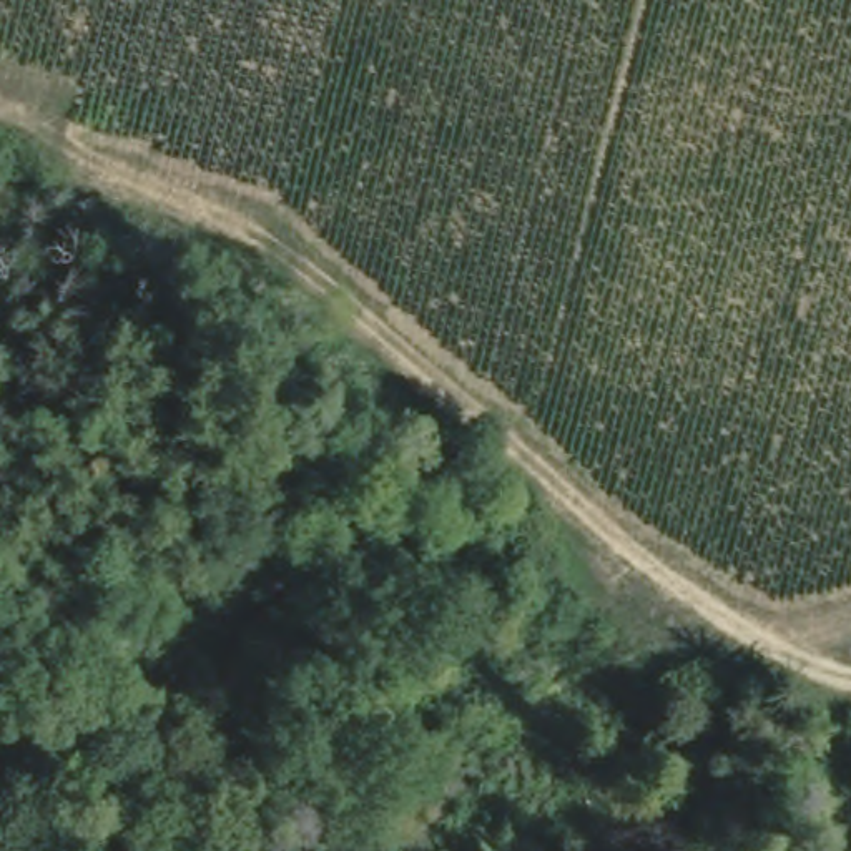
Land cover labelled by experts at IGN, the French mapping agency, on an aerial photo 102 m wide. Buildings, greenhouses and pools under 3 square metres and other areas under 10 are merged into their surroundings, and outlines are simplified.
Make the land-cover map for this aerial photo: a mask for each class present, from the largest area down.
<instances>
[{"label":"vineyard","instance_id":"1","mask_svg":"<svg viewBox=\"0 0 851 851\"><path fill-rule=\"evenodd\" d=\"M0 53H10L20 63H40L43 70L76 76L80 93L70 96L63 113L70 123H83L110 136H143L163 156L193 160L209 173H226L239 183H266L269 189H276L286 199V206H293L306 223H312L316 233L329 246H336L352 266L372 276L379 289L389 293L392 303L402 312H409L422 329H429L455 359H462L475 376L492 379L495 389L509 399L522 402L525 412L542 426V432H548L568 452V462L588 469L598 489L608 495L618 499L642 522L685 542L705 562L731 568L741 585H755L765 595L791 598L831 592L851 582V0H0Z\"/></svg>","mask_w":851,"mask_h":851},{"label":"coniferous trees","instance_id":"2","mask_svg":"<svg viewBox=\"0 0 851 851\"><path fill-rule=\"evenodd\" d=\"M13 186V203L0 219V562L17 558L27 568V578L37 588H43L50 615L43 628L30 638L47 671V701H37L33 708L40 718L37 731L33 738L0 745V831L10 824L3 798L13 791V785L20 778H30L33 785L50 781L63 801L57 808V828L83 841H100L103 851H133L130 841L140 821L153 811L150 798L143 794L146 775L136 768L123 781L106 785L103 794H90L93 771L106 765L110 741L123 725V715L136 711L140 705H160L166 698L163 691L186 695L213 718L216 735L223 738V755L229 761L256 765L266 691L276 678L289 681L296 668L322 658V635H306L299 622L332 605L326 575L316 565H293V558L286 555H266L253 572H246L239 588L223 595L219 605L199 592L180 595L189 612V622L176 632V638H170L160 648L156 658H120L113 645L100 635L96 615L106 602V582L96 558L100 545L113 532H126L130 539H136L150 532L160 522L156 502L163 499V492L183 495L186 509H196L203 502L206 475L223 465V455L233 449L236 435L249 432L259 406V386L249 382L239 369V346L253 342L256 336L249 326H239L233 319L216 326H196V299L183 296L193 286V279L183 266V253L189 246L180 233H143L140 226L126 223L123 209L110 203L100 189L76 183L47 186L30 166L20 163L13 170V180H7ZM342 416L349 422L356 416L372 422V435L362 442L359 452L303 455L286 472H279L276 485L283 499L273 502L279 525H289L296 515H306L342 495L366 499L362 475H369L372 465L392 452H399L402 465H412L422 482L439 485L452 479L459 469L472 465L475 442L482 432L475 419H462L455 399L439 396L435 389L389 366L379 376L376 396H366L359 386H346ZM588 598L612 618L615 628L642 638V645L652 655L632 668L595 665L582 675V688H562L555 698L535 701L529 718L519 725V745L529 751L532 765H542L552 771L555 781H565L568 804L552 814H525L512 798L485 794L482 801H475V811L465 821V828L452 831L435 821L429 828L426 844L406 851H851V695L794 675L758 655L755 648L731 642L708 622H701L698 612L668 598L655 582L635 572L608 545H602L592 552V565H585ZM685 665L705 668L711 681V698L701 731L688 741H678L665 728L678 695L668 685V671ZM17 632L10 625L0 628V691L17 678V671L27 662L17 652ZM276 851H309L319 838V818L312 808H303L273 831Z\"/></svg>","mask_w":851,"mask_h":851},{"label":"deciduous trees","instance_id":"3","mask_svg":"<svg viewBox=\"0 0 851 851\"><path fill-rule=\"evenodd\" d=\"M20 163L30 166L47 186L76 183V170L63 153L33 143L27 130L0 120V219L13 203V186L7 180H13V170ZM189 246L183 253V266L193 279V286L183 296L196 299V326H216L233 319L239 326H249L256 336L253 342L239 346V369L249 382L259 386V406L249 432L236 435L233 449L223 455V465L206 475L203 502L196 509H186L183 495L163 492V499L156 502L160 522L150 532L136 539H130L126 532H113L100 545L96 558L106 582V602L96 615L100 635L113 645L120 658H156L160 648L170 638H176V632L189 622V612L180 595L199 592L219 605L223 595L239 588L246 572H253L266 555H286L293 558V565H316L326 575L332 605L299 622L306 635H322V658L296 668L289 681L276 678L266 691L256 765L229 761L223 755V738L216 735L213 718L186 695L163 691L166 698L160 705H140L136 711L123 715V725L110 741L106 765L93 771L90 794H103L106 785L123 781L136 768L146 775L143 794L150 798L153 811L140 821L130 841L133 851H276L273 831L303 808H312L319 818V838L309 851H406L426 844L429 828L435 821L452 831L465 828V821L475 811V801H482L485 794L512 798L525 814H552L568 804L565 781H555L552 771L542 765H532L529 751L519 745V725L529 718L535 701L555 698L562 688H582V675L595 665L632 668L652 655L642 645V638L615 628L612 618L588 598L585 565H592V552L602 545L572 515L558 512L545 499L532 475L509 462L505 439L509 426L499 419V412H482L475 419L482 432L475 442L472 465L459 469L452 479L439 485L422 482L412 465H402L399 452H392L372 465L369 475H362L366 499L342 495L306 515H296L289 525H279L273 502L283 499L276 485L279 472H286L303 455L359 452L362 442L372 435V422L356 416L349 422L342 416L346 386H359L366 396H376L379 376L389 366V359L362 336H336L329 329V319H293V309L279 299L256 303V296L266 289H289L296 283L286 269L266 263L259 249L233 236L213 233L199 223H186L180 233ZM43 588H37L27 578V568L17 558L0 562V628L10 625L17 632V652L27 662L17 671V678L0 691V745L33 738L37 731L40 718L33 708L37 701H47V671L30 638L43 628L50 615ZM668 685L678 695L665 728L678 741H688L701 731L711 698V681L705 668L685 665L668 671ZM63 801L50 781L33 785L30 778H20L13 785V791L3 798L10 824L0 831V851H103L100 841H83L57 828V808Z\"/></svg>","mask_w":851,"mask_h":851},{"label":"herbaceous vegetation","instance_id":"4","mask_svg":"<svg viewBox=\"0 0 851 851\"><path fill-rule=\"evenodd\" d=\"M80 93L76 76L43 70L40 63H20L10 53H0V120L27 130L33 143L63 153L76 170V183L100 189L110 203L123 209L126 223L140 226L143 233H180L186 223H199L213 233L233 236L259 249L266 263L286 269L296 283L289 289H266L256 296V303L279 299L293 309V319H329V329L336 336H362L389 359V366L435 389L439 396L455 399L462 419H475L482 412H499V419L509 426L505 439L519 435L525 445L542 452V459L568 472L575 489H582L588 499L598 489L588 469L568 462V452L548 432H542V426L525 412L522 402L509 399L495 389L492 379L475 376L462 359H455L429 329H422L409 312H402L392 303L389 293L379 289L372 276L352 266L336 246H329L316 233L312 223H306L293 206H286V199L276 189H269L266 183H239L226 173H209L193 160L163 156L143 136H110L83 123H70L63 113L70 96ZM602 505L612 515V522L635 545L662 558L668 568L691 578L728 608L775 628L788 642L851 665V582L831 592L791 598L765 595L755 585H741L731 568L705 562L685 542L642 522L618 499L608 495Z\"/></svg>","mask_w":851,"mask_h":851},{"label":"pervious surface","instance_id":"5","mask_svg":"<svg viewBox=\"0 0 851 851\"><path fill-rule=\"evenodd\" d=\"M509 462L532 475L545 499L558 512L572 515L602 545H608L635 572L655 582L668 598L698 612L701 622H708L731 642L755 648L758 655L794 675L851 695V665L788 642L775 628L728 608L691 578L668 568L662 558L635 545L612 522V515L602 505L608 495L598 489L588 499L582 489H575L568 472L542 459V452L525 445L519 435L505 439Z\"/></svg>","mask_w":851,"mask_h":851}]
</instances>
